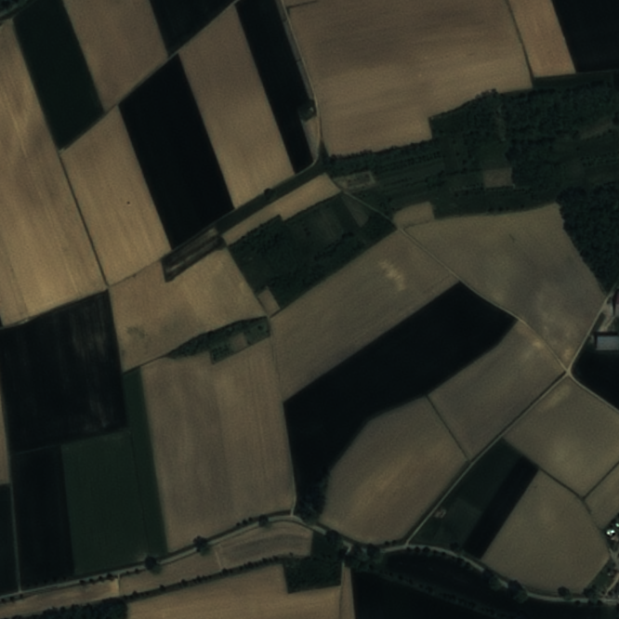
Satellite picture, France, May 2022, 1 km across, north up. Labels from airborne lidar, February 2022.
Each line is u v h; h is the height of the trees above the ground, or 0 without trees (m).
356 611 0
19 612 0
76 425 0
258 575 0
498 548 0
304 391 0
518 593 28
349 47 0
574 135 12
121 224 0
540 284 0
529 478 0
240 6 0
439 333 0
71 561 0
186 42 0
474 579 0
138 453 0
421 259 0
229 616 0
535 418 0
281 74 0
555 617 0
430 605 0
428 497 0
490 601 0
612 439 0
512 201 0
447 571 0
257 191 0
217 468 0
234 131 0
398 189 0
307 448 0
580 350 0
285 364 0
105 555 0
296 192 0
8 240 0
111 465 0
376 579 0
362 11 0
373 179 0
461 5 0
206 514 0
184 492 0
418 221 0
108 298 0
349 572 0
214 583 0
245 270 0
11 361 0
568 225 12
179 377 0
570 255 0
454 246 0
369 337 0
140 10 0
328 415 0
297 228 0
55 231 0
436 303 0
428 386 0
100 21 0
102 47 0
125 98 0
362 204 0
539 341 0
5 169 0
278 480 0
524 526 0
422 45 0
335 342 0
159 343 0
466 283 0
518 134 9
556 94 18
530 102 17
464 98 0
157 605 0
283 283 0
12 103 0
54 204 0
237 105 0
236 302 0
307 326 0
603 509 0
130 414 0
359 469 0
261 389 0
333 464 0
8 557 0
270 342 0
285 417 0
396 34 0
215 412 0
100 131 0
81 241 0
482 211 0
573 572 0
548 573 0
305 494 0
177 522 0
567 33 0
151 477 0
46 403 0
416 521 0
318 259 12
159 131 0
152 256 0
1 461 0
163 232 0
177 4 0
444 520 0
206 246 0
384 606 0
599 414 0
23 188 0
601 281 15
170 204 0
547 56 0
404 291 0
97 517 0
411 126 0
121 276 0
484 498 0
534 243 0
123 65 0
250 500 0
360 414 0
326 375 0
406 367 0
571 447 0
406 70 0
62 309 0
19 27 0
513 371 0
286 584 0
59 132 0
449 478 0
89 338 0
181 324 0
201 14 0
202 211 0
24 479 0
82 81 0
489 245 0
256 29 0
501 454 0
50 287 0
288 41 0
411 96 0
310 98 0
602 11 0
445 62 0
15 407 0
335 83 0
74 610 12
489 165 0
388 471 0
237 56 0
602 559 0
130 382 0
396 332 0
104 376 0
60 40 0
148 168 0
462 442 0
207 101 0
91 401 0
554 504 0
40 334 0
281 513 0
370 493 0
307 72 0
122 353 0
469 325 0
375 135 0
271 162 0
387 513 0
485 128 14
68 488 0
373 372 0
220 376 0
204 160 0
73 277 0
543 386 0
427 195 0
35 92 0
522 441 0
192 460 0
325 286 0
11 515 0
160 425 0
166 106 0
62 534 0
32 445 0
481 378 0
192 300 0
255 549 0
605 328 0
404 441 0
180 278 0
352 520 0
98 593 0
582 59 0
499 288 0
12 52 0
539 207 0
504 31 0
